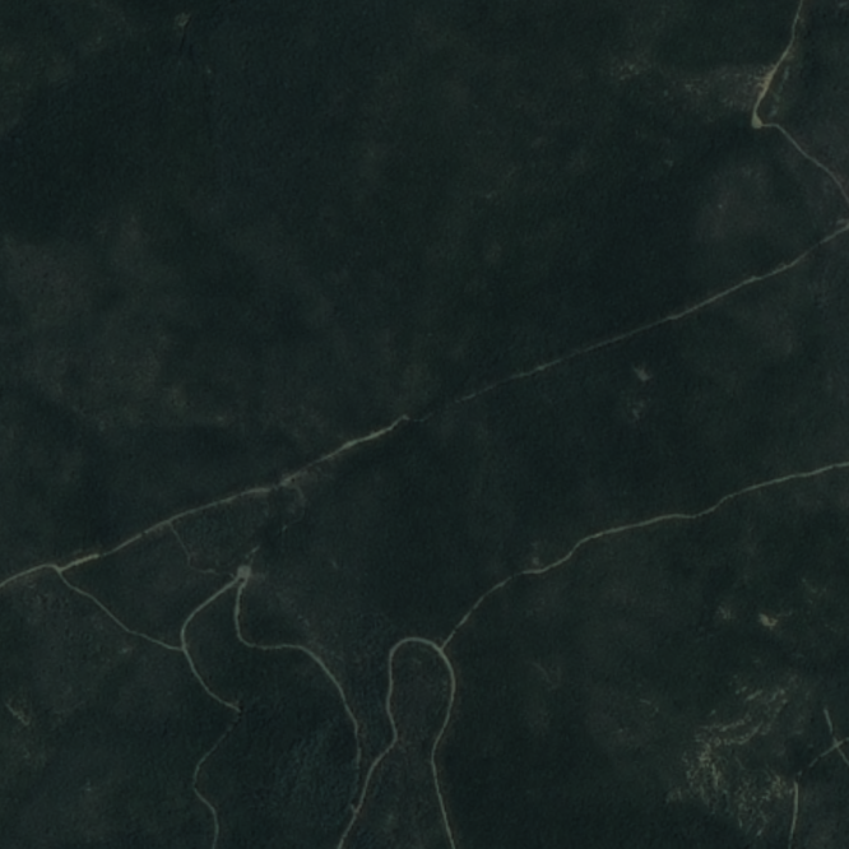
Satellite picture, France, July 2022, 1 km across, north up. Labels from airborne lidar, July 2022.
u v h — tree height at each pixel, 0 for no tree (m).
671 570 6
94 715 9
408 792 6
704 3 6
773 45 6
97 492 6
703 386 7
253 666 7
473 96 6
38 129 7
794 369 7
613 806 9
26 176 6
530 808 6
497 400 6
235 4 10
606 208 8
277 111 6
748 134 6
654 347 6
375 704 7
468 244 5
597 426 5
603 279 9
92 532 7
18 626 6
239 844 6
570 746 7
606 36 6
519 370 6
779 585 9
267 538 6
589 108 6
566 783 6
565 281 6
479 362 9
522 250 6
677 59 5
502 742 6
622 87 6
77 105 7
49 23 12
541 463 7
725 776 7
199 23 7
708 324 5
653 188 7
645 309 7
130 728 7
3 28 6
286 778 7
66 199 8
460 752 6
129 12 6
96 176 9
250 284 6
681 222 7
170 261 6
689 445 6
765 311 0
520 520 5
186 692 6
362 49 6
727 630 7
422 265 5
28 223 6
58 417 7
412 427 7
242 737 6
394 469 6
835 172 0
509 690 5
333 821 7
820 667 7
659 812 9
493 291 7
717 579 10
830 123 0
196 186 7
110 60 9
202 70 6
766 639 9
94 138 6
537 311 8
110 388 6
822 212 0
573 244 8
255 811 8
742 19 6
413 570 6
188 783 7
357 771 7
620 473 6
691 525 6
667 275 6
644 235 8
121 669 8
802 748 7
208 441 7
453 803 7
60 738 7
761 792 7
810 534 6
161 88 7
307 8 6
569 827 6
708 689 6
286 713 8
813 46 6
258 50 6
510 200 6
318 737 10
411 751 6
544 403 8
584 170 6
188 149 6
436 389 6
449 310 8
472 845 6
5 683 7
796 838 6
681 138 8
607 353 6
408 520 6
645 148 7
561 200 6
